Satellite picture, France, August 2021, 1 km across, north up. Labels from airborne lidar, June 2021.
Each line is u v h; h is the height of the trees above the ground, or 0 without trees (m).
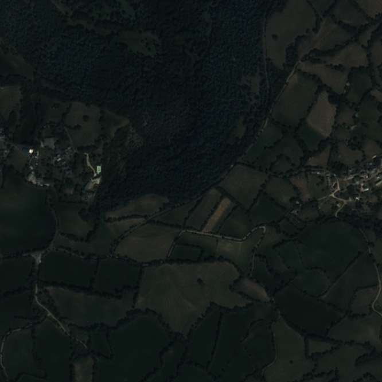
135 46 0
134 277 0
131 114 13
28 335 0
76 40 13
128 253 0
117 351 0
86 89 16
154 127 9
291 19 0
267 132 0
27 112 11
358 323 0
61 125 11
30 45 15
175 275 0
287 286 9
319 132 0
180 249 0
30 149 0
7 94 0
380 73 6
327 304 6
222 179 7
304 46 0
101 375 0
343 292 0
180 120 12
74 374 12
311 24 0
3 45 7
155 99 21
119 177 17
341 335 0
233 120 16
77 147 0
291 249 0
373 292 0
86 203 9
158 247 0
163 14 27
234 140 0
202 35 10
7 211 0
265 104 7
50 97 7
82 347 6
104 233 0
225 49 9
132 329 0
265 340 0
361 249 0
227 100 14
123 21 14
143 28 16
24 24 11
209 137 13
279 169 0
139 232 0
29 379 0
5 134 8
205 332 0
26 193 0
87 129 0
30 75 0
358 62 0
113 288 0
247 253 0
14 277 0
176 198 7
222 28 11
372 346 16
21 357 0
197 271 0
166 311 0
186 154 19
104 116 6
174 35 18
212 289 0
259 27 13
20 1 11
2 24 13
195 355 0
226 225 0
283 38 0
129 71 25
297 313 0
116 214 0
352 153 0
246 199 0
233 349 0
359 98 0
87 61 15
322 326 0
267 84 9
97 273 10
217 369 0
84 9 10
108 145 11
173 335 15
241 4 14
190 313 0
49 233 0
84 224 0
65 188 15
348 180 0
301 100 0
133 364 0
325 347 0
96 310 0
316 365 8
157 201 0
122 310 0
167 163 21
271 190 0
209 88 15
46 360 0
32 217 0
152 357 0
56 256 0
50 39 16
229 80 12
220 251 0
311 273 0
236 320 0
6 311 0
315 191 0
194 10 19
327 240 0
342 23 11
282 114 0
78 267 0
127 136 11
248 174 0
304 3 0
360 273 0
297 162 0
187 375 0
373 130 0
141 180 18
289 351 0
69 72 12
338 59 0
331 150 6
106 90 20
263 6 17
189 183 14
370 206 8
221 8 18
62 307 0
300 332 12
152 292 0
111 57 20
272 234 0
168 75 19
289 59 8
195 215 0
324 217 9
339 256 0
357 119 11
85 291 17
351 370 0
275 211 0
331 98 13
